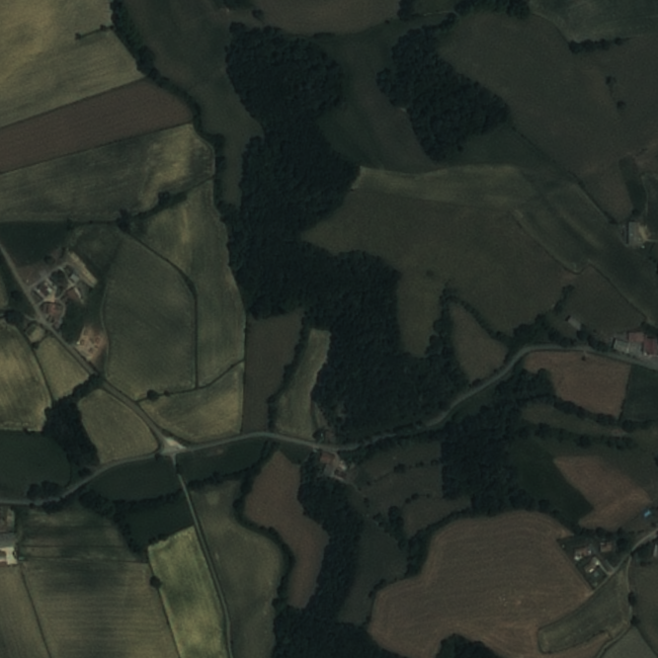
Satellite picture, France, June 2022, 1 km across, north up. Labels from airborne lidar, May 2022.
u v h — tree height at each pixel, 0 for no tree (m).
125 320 0
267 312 12
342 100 10
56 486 16
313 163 22
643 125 0
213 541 0
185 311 0
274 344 0
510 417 18
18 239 0
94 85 0
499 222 0
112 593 0
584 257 0
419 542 14
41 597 0
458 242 0
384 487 0
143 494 0
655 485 0
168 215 0
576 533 6
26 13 0
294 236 17
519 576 0
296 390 0
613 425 12
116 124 0
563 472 0
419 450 0
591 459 0
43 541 0
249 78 19
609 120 0
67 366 0
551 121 0
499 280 0
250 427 0
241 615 0
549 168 0
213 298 0
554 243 0
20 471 0
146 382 0
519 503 18
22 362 0
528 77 0
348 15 0
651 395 0
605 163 0
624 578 0
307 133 20
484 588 0
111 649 0
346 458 11
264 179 17
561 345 15
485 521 0
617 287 0
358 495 0
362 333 20
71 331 0
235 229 10
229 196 0
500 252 0
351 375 20
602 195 0
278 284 20
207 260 0
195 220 0
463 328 0
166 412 0
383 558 0
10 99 0
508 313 0
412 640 0
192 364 0
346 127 0
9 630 0
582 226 0
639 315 0
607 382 0
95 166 0
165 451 0
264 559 0
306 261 20
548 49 0
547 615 0
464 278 0
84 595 0
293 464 0
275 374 0
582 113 0
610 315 0
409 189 0
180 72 0
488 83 0
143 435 0
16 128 0
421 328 0
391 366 22
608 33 0
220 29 0
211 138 7
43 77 0
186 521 0
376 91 0
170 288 0
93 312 0
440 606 0
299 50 22
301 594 0
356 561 15
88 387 14
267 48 23
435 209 0
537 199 0
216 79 0
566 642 0
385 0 0
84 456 22
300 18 0
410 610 0
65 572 0
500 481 15
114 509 20
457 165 0
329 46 0
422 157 0
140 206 0
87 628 0
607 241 0
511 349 8
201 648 0
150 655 0
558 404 14
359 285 24
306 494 18
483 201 0
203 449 0
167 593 0
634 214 8
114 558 0
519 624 0
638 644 0
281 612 9
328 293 23
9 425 0
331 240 0
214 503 0
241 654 0
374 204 0
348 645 23
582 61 0
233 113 0
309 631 23
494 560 0
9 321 13
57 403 8
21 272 0
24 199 0
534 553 0
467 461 25
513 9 33
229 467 0
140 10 0
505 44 0
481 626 0
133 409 0
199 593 0
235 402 0
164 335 0
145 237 0
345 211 0
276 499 0
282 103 20
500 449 22
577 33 0
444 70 16
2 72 0
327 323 15
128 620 0
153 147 0
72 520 0
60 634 0
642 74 0
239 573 0
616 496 0
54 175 0
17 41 0
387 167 0
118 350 0
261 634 0
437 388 21
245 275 21
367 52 0
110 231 0
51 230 0
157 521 0
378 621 0
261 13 12
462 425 9
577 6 0
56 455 0
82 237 0
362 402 18
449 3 0
